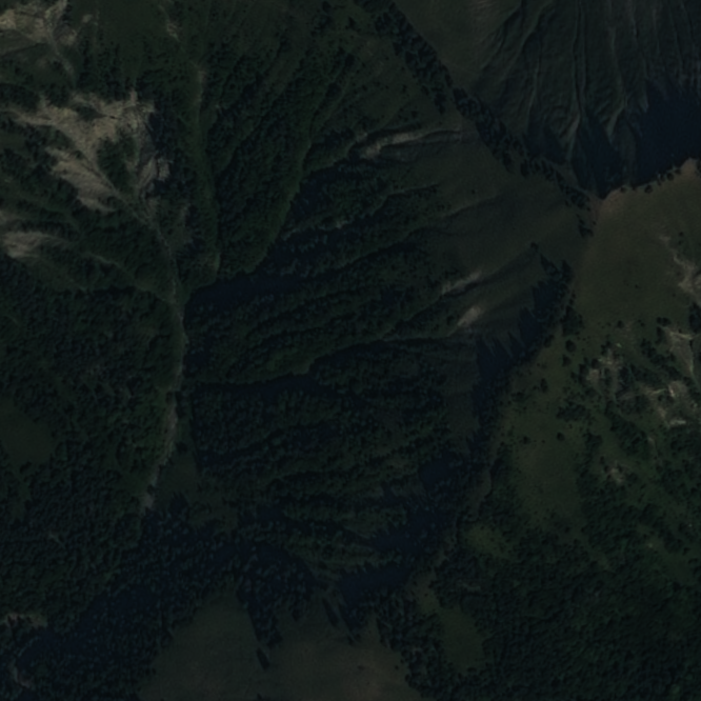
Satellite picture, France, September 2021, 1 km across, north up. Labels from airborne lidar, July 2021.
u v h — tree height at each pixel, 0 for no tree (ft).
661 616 51
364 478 39
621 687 68
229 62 42
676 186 0
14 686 92
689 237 0
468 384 0
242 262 27
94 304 49
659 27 0
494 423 36
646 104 0
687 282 0
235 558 71
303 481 36
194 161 21
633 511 32
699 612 64
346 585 0
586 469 20
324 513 27
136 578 78
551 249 0
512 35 0
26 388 62
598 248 0
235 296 54
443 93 27
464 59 0
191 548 63
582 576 35
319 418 35
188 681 0
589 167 0
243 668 0
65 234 74
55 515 92
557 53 0
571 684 49
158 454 23
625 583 19
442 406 37
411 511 25
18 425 0
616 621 41
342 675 0
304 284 59
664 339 38
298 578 80
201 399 51
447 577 51
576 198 27
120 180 39
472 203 0
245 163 33
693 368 0
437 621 31
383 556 25
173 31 0
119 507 77
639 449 68
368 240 41
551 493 0
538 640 70
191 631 0
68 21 28
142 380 76
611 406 45
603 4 0
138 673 73
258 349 47
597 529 28
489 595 30
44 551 84
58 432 28
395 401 36
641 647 50
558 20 0
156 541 79
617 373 0
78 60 0
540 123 0
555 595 50
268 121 44
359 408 27
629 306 0
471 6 0
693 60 0
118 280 40
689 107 0
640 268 0
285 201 29
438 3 0
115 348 51
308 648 0
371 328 70
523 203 0
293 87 31
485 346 0
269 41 0
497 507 41
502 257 0
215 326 58
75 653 75
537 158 41
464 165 0
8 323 49
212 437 80
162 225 28
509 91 0
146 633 94
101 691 50
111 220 22
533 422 0
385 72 0
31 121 0
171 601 97
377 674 0
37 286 30
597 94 0
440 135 0
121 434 54
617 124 0
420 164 0
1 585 59
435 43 0
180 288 0
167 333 43
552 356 0
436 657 28
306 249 54
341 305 51
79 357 65
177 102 47
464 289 0
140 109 35
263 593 70
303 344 45
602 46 0
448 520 66
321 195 32
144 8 0
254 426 79
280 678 0
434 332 20
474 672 34
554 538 36
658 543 0
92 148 0
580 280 0
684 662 44
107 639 74
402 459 21
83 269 25
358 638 41
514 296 0
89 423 50
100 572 62
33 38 0
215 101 21
